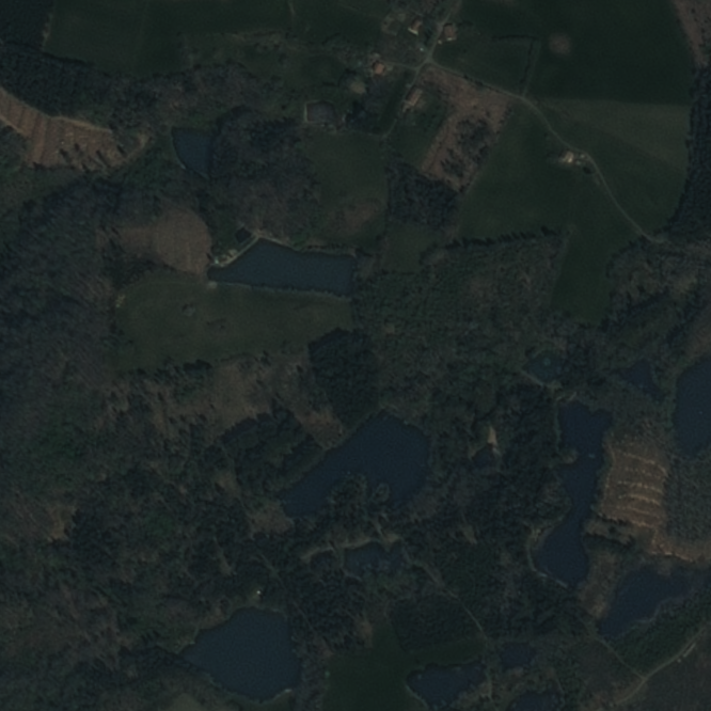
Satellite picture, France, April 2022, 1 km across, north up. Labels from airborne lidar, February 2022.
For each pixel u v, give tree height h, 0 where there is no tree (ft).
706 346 61
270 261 0
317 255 0
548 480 46
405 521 47
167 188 73
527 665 20
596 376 73
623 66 0
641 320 107
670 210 0
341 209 0
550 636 73
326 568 60
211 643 0
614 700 0
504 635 28
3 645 53
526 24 0
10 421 93
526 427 61
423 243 0
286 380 0
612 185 0
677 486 73
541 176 0
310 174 70
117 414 49
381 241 44
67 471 66
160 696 42
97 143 0
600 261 0
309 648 27
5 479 74
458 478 77
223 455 74
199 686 32
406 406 63
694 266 87
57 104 74
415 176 50
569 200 0
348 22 0
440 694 0
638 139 0
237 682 0
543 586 48
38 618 46
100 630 79
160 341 0
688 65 0
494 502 73
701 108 42
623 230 0
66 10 0
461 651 0
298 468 97
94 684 56
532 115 0
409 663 0
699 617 25
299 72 0
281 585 65
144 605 85
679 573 0
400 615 28
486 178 0
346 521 55
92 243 68
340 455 0
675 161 0
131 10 0
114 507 71
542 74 0
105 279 72
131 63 0
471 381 81
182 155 0
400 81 0
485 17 0
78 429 48
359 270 32
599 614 0
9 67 63
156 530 60
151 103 32
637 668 29
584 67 0
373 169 0
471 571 28
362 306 37
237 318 0
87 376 82
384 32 0
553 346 31
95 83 71
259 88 78
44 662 83
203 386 20
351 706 0
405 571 77
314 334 0
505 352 68
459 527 62
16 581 90
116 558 56
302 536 62
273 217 58
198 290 0
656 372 36
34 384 104
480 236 0
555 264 57
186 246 0
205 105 81
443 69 0
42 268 97
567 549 0
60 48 0
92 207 105
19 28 26
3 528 99
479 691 25
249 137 95
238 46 0
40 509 64
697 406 0
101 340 90
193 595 20
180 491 52
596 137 0
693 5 0
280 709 0
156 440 57
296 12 0
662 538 66
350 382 96
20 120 0
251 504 59
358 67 0
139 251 0
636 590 0
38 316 96
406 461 0
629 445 76
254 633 0
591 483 0
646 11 0
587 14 0
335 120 0
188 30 0
